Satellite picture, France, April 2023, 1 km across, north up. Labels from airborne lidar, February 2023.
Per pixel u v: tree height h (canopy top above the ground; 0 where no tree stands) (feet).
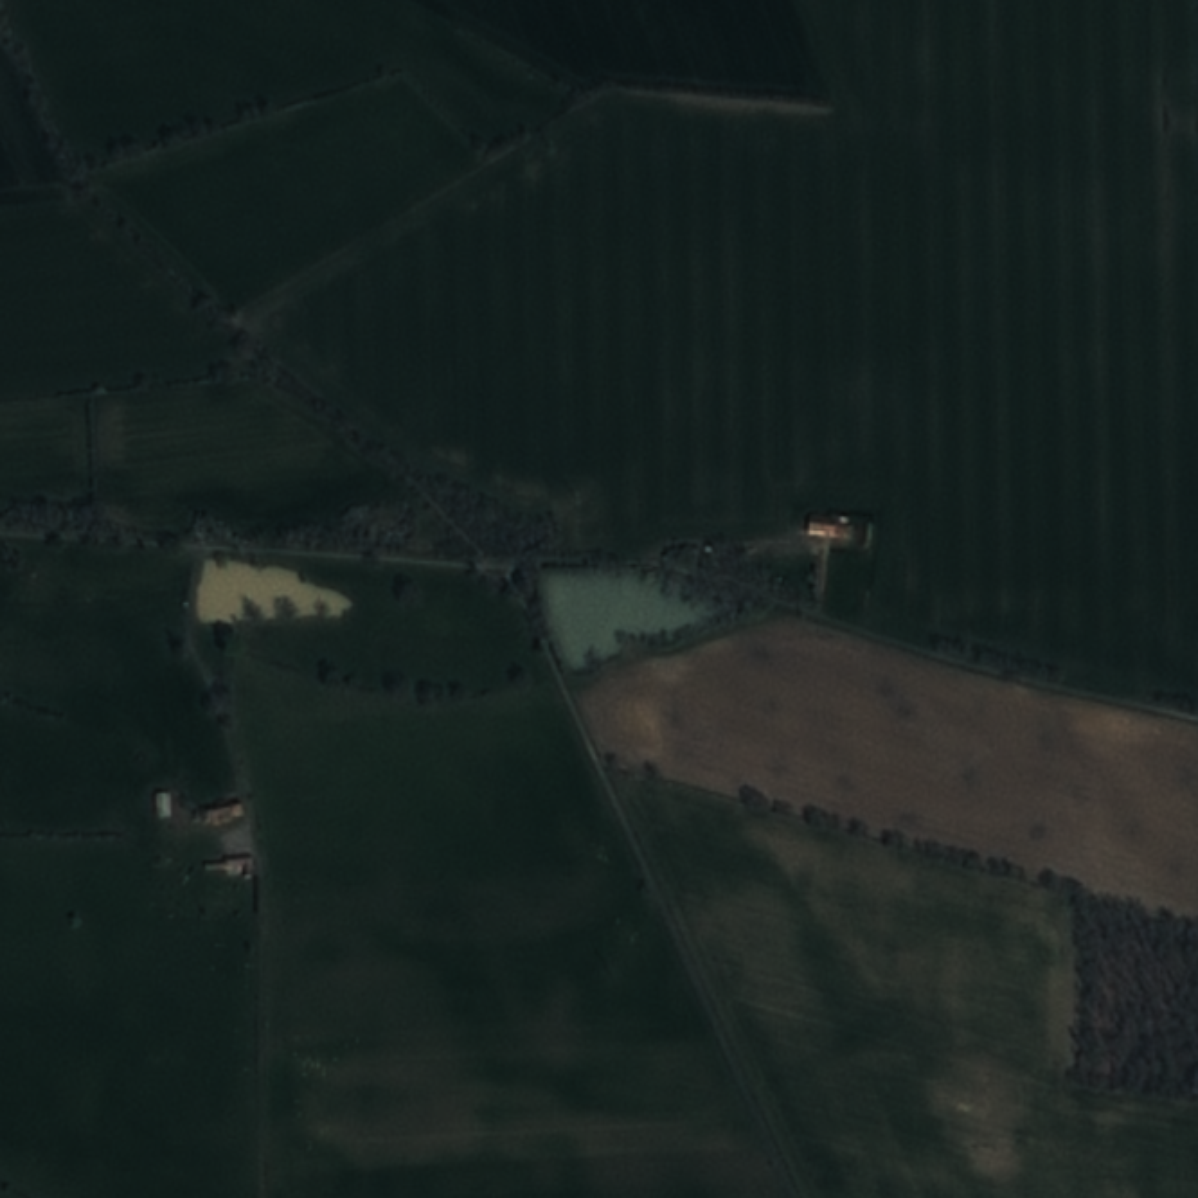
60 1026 0
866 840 47
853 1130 0
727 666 0
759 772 0
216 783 0
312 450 0
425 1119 0
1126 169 0
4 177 0
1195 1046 75
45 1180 0
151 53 0
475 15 0
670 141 0
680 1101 0
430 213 0
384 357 0
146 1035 0
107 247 0
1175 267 0
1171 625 0
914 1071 0
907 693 0
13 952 0
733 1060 0
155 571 0
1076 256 0
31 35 0
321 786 0
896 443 0
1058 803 0
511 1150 0
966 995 0
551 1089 0
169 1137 0
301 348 0
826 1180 0
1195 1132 0
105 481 0
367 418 0
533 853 0
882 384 0
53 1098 0
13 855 0
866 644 0
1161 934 56
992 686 0
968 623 0
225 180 0
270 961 0
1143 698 0
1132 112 0
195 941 0
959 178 0
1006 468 0
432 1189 0
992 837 0
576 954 0
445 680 0
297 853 0
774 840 0
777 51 0
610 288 0
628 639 36
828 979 0
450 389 0
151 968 0
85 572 0
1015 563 0
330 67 0
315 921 0
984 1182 0
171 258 0
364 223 0
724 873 0
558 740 0
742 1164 0
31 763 0
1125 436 0
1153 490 0
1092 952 64
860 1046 0
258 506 0
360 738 0
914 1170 0
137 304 0
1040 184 0
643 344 0
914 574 0
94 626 0
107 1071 0
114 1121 0
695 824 0
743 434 0
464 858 0
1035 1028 0
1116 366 0
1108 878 0
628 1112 0
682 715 0
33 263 0
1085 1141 0
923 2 0
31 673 0
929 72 0
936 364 0
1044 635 0
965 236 0
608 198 0
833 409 0
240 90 0
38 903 0
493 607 0
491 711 0
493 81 0
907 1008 0
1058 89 0
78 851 0
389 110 0
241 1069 0
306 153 0
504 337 0
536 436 0
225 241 0
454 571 0
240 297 0
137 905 0
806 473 0
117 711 0
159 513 0
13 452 0
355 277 0
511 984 0
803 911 0
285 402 0
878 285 0
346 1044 0
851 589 0
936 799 0
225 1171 0
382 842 0
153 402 0
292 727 0
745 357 0
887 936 0
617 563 41
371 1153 0
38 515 48
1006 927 0
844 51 0
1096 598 0
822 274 0
